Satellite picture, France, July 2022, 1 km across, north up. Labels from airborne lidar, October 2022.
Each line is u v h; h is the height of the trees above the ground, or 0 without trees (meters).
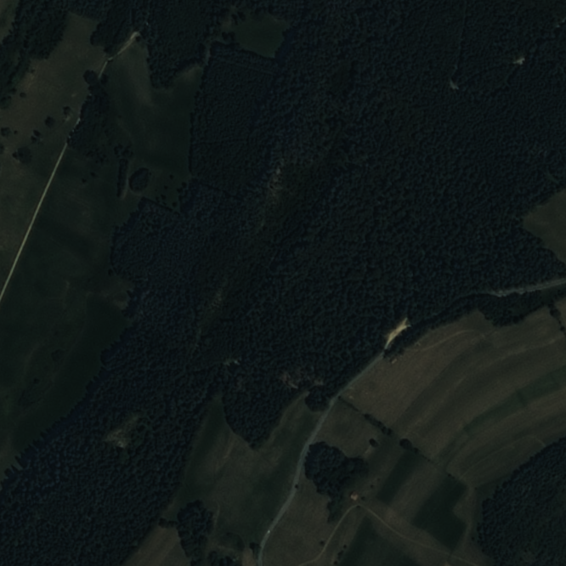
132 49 0
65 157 0
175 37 11
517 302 17
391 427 0
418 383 0
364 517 0
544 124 24
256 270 9
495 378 0
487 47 25
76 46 0
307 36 27
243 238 14
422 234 31
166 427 28
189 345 20
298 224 13
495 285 28
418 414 0
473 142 25
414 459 0
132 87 0
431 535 0
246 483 0
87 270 0
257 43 0
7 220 0
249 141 13
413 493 0
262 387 27
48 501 15
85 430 30
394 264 33
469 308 24
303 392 14
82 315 0
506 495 15
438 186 25
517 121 27
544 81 23
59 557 20
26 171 0
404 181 28
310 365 19
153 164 0
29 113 0
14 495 27
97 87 19
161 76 15
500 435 0
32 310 0
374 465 0
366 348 35
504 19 27
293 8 28
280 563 0
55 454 33
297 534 0
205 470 0
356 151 25
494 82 21
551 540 9
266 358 25
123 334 0
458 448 0
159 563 0
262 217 14
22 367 0
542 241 19
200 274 19
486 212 27
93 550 24
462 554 0
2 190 0
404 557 0
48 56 9
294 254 24
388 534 0
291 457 0
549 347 0
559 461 17
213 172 9
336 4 23
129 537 27
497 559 9
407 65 23
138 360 29
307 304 24
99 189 0
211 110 13
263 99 18
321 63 20
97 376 0
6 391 0
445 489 0
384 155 26
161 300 31
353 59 35
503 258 32
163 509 21
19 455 0
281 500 0
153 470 17
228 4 7
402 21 21
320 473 15
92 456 17
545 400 0
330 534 0
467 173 27
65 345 0
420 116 26
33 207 0
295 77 18
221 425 0
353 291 20
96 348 0
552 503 13
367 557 0
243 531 0
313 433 0
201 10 15
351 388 0
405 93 17
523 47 22
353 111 39
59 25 10
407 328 0
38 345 0
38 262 0
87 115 15
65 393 0
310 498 0
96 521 20
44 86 0
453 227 24
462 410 0
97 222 0
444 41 21
